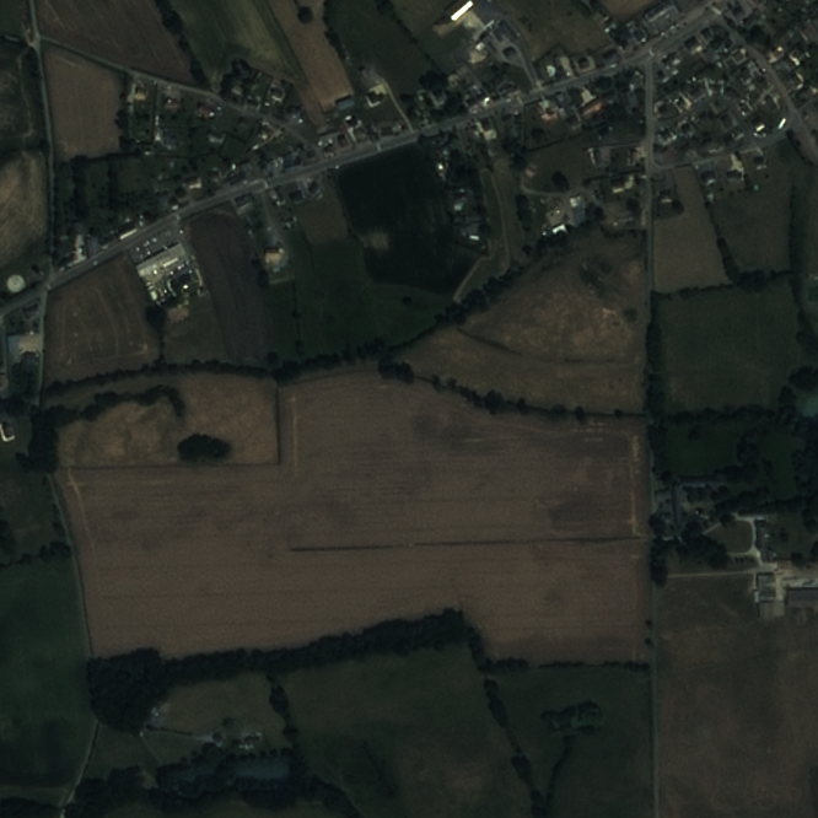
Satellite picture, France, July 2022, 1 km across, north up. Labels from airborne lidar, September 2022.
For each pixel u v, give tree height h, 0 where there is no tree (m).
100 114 0
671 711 0
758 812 0
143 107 0
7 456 0
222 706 0
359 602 0
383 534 0
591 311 0
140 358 0
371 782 0
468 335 0
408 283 0
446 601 0
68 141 0
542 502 0
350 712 0
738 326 0
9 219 0
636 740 0
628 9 0
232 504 0
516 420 0
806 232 0
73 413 8
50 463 19
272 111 0
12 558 7
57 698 0
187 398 0
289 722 6
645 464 0
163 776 20
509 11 0
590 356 0
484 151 7
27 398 9
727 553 18
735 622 0
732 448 0
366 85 0
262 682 0
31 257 0
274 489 0
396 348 7
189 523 0
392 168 0
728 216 0
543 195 0
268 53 0
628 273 0
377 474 0
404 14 0
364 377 0
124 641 0
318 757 0
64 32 0
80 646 0
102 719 10
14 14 0
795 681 0
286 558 0
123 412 0
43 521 0
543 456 0
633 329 0
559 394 0
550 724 6
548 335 0
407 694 0
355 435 0
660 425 9
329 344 0
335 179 7
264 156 8
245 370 8
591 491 0
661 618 0
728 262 14
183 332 0
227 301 0
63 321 0
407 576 0
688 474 0
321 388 0
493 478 0
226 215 0
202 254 0
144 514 0
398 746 0
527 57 0
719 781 0
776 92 0
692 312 0
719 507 12
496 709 19
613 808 0
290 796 27
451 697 0
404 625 15
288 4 0
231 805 0
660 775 0
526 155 11
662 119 0
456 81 0
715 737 0
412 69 0
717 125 0
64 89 0
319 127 0
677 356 0
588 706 13
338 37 17
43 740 0
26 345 0
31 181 0
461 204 0
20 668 0
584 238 0
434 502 0
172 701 0
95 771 0
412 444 0
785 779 0
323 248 0
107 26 0
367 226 0
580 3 14
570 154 0
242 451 0
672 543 10
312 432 0
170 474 0
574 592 0
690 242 0
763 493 9
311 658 15
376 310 0
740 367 0
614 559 0
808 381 17
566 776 0
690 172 0
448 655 0
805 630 0
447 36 0
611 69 0
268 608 0
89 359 0
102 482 0
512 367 0
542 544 0
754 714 0
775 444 0
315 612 0
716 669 0
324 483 0
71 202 7
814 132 7
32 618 0
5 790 0
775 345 0
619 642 0
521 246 0
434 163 7
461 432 0
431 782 0
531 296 0
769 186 0
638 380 0
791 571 0
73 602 0
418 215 0
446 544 0
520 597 0
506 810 0
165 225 0
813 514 12
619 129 0
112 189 13
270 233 0
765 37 11
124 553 0
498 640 0
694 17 0
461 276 0
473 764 0
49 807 9
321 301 0
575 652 0
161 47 0
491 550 0
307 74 0
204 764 13
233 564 0
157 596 0
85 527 0
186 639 0
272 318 0
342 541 0
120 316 0
